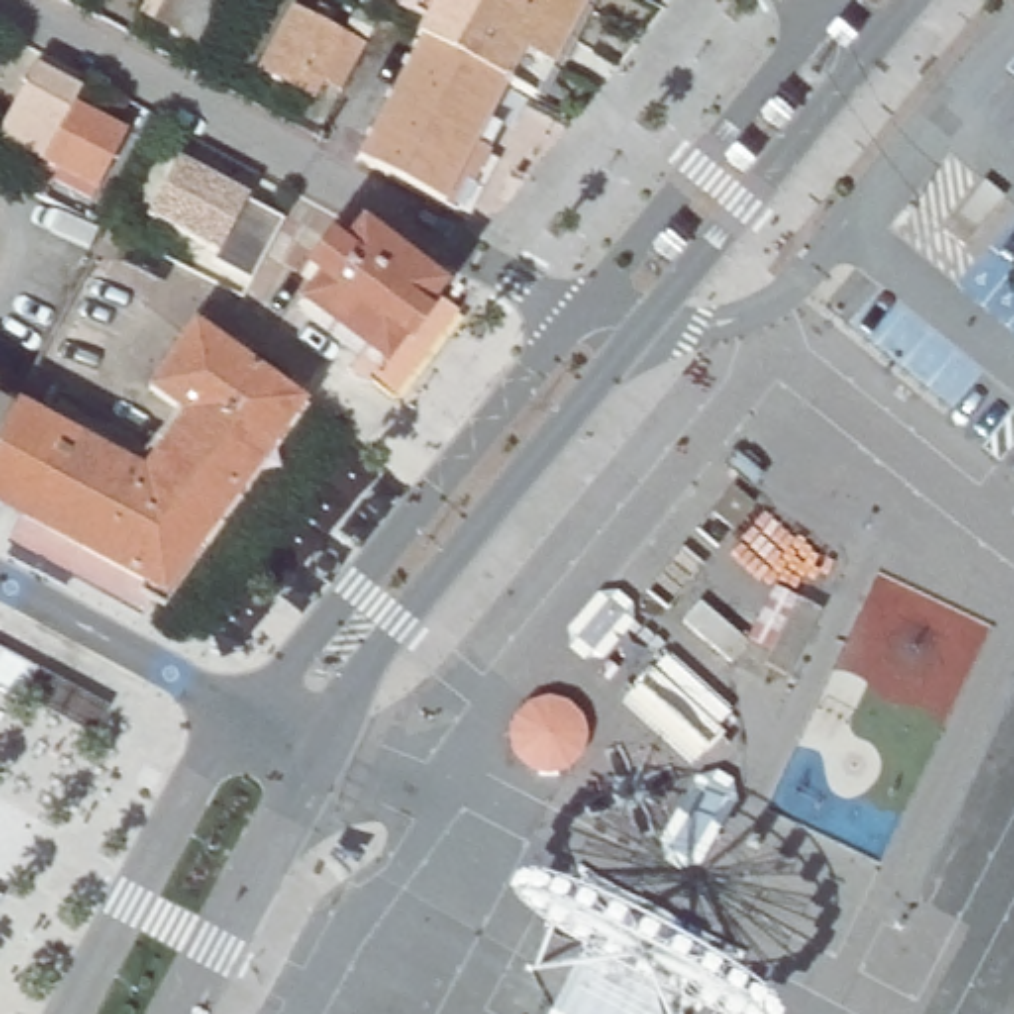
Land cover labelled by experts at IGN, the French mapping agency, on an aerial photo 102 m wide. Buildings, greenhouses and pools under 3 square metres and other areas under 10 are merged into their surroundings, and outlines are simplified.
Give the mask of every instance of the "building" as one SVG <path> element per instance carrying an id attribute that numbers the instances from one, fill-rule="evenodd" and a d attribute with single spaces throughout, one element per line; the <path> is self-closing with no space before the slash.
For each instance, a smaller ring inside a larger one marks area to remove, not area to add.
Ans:
<path id="1" fill-rule="evenodd" d="M 151 384 L 151 400 L 178 412 L 178 420 L 162 420 L 170 436 L 151 436 L 147 456 L 131 456 L 127 448 L 51 412 L 32 396 L 0 400 L 0 531 L 67 570 L 103 578 L 123 594 L 147 586 L 158 606 L 174 598 L 194 562 L 222 535 L 226 519 L 250 495 L 250 487 L 281 463 L 285 436 L 301 424 L 309 408 L 309 396 L 297 380 L 257 360 L 242 341 L 222 333 L 206 317 L 194 317 L 186 325 L 178 349 L 162 360 Z"/>
<path id="2" fill-rule="evenodd" d="M 356 36 L 349 36 L 341 24 L 301 8 L 301 0 L 285 0 L 261 51 L 261 67 L 269 79 L 297 83 L 309 95 L 341 95 L 349 67 L 364 51 Z"/>
<path id="3" fill-rule="evenodd" d="M 194 257 L 210 265 L 218 277 L 226 277 L 238 293 L 254 285 L 250 265 L 257 261 L 269 238 L 269 218 L 257 210 L 242 210 L 242 198 L 250 194 L 246 186 L 186 154 L 166 158 L 151 170 L 147 210 L 151 218 L 166 222 L 178 238 L 186 238 Z"/>
<path id="4" fill-rule="evenodd" d="M 0 67 L 0 135 L 32 147 L 48 162 L 51 178 L 75 198 L 95 198 L 123 162 L 115 154 L 123 143 L 123 123 L 115 119 L 83 103 L 79 79 L 51 67 L 32 48 L 24 48 L 20 59 L 8 59 Z"/>
<path id="5" fill-rule="evenodd" d="M 317 301 L 356 337 L 380 349 L 384 372 L 372 372 L 372 380 L 396 408 L 404 408 L 404 396 L 432 364 L 432 353 L 463 325 L 463 317 L 456 305 L 436 301 L 436 273 L 444 265 L 436 265 L 424 250 L 416 250 L 380 218 L 360 214 L 349 234 L 341 230 L 341 222 L 329 226 L 329 250 L 305 265 L 297 297 Z"/>
<path id="6" fill-rule="evenodd" d="M 400 79 L 384 87 L 380 111 L 364 131 L 356 162 L 428 194 L 448 210 L 459 202 L 459 186 L 467 178 L 479 178 L 483 162 L 495 158 L 495 103 L 507 103 L 515 79 L 535 83 L 535 75 L 555 75 L 562 63 L 574 63 L 574 51 L 582 44 L 574 28 L 590 12 L 586 0 L 400 0 L 420 20 L 408 51 L 400 63 Z"/>
<path id="7" fill-rule="evenodd" d="M 147 16 L 166 24 L 170 36 L 186 36 L 194 40 L 206 32 L 214 0 L 147 0 Z"/>

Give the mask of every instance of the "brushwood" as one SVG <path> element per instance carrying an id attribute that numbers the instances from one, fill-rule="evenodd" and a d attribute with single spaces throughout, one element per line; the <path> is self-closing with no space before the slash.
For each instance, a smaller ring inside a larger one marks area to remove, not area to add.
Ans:
<path id="1" fill-rule="evenodd" d="M 598 95 L 602 75 L 574 63 L 562 63 L 555 75 L 562 95 L 539 95 L 535 107 L 558 123 L 578 119 Z"/>
<path id="2" fill-rule="evenodd" d="M 301 8 L 341 24 L 349 24 L 349 8 L 356 16 L 384 20 L 392 24 L 392 40 L 408 51 L 420 20 L 400 0 L 301 0 Z"/>
<path id="3" fill-rule="evenodd" d="M 234 79 L 222 91 L 234 91 L 285 123 L 297 123 L 309 111 L 309 95 L 297 83 L 269 79 L 261 67 L 261 51 L 238 63 Z"/>
<path id="4" fill-rule="evenodd" d="M 147 48 L 166 51 L 170 59 L 186 36 L 170 36 L 166 24 L 147 16 L 135 16 L 131 32 Z"/>

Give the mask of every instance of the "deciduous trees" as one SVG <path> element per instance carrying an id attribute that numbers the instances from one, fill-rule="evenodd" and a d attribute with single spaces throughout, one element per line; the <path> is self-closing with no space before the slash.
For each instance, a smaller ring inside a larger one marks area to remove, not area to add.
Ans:
<path id="1" fill-rule="evenodd" d="M 99 71 L 87 71 L 79 79 L 83 103 L 115 119 L 123 107 L 123 91 Z"/>
<path id="2" fill-rule="evenodd" d="M 285 174 L 277 190 L 265 190 L 261 178 L 246 186 L 250 194 L 273 210 L 293 210 L 305 194 L 305 178 Z"/>
<path id="3" fill-rule="evenodd" d="M 198 135 L 198 103 L 170 95 L 154 103 L 147 131 L 123 162 L 95 198 L 95 226 L 115 238 L 119 257 L 127 257 L 131 250 L 147 250 L 170 265 L 194 257 L 186 238 L 178 238 L 166 222 L 151 218 L 147 210 L 151 170 L 166 158 L 186 154 L 186 139 Z"/>
<path id="4" fill-rule="evenodd" d="M 32 147 L 0 135 L 0 206 L 40 194 L 51 178 L 48 162 Z"/>
<path id="5" fill-rule="evenodd" d="M 206 32 L 194 40 L 186 36 L 170 59 L 174 67 L 194 71 L 206 87 L 222 91 L 234 79 L 238 63 L 261 51 L 285 0 L 214 0 Z"/>
<path id="6" fill-rule="evenodd" d="M 273 551 L 301 543 L 301 531 L 317 523 L 317 499 L 325 483 L 337 475 L 345 452 L 341 436 L 349 428 L 341 428 L 325 408 L 309 408 L 301 424 L 285 436 L 281 463 L 250 487 L 250 495 L 226 519 L 222 535 L 194 562 L 174 598 L 158 606 L 154 626 L 166 638 L 214 642 L 234 622 L 234 606 L 250 602 L 254 590 L 269 582 Z"/>

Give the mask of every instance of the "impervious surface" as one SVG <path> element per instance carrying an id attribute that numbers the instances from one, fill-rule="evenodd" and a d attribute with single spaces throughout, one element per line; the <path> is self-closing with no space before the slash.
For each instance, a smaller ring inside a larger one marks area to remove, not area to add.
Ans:
<path id="1" fill-rule="evenodd" d="M 305 178 L 305 194 L 293 210 L 273 210 L 250 194 L 242 198 L 242 210 L 257 210 L 269 218 L 269 238 L 257 261 L 250 265 L 254 285 L 238 293 L 226 277 L 218 277 L 210 265 L 194 257 L 170 265 L 147 250 L 131 250 L 127 257 L 119 257 L 115 238 L 95 226 L 95 198 L 75 198 L 51 178 L 40 194 L 0 206 L 0 400 L 32 396 L 51 412 L 127 448 L 131 456 L 147 456 L 151 436 L 170 436 L 162 420 L 178 420 L 178 412 L 151 400 L 151 384 L 162 360 L 178 349 L 186 325 L 194 317 L 206 317 L 222 333 L 242 341 L 257 360 L 297 380 L 309 396 L 309 408 L 325 408 L 341 428 L 349 428 L 341 436 L 345 452 L 337 475 L 325 483 L 317 499 L 317 523 L 301 531 L 301 543 L 273 551 L 269 582 L 254 590 L 250 602 L 234 606 L 234 622 L 214 642 L 166 638 L 154 626 L 158 606 L 147 586 L 123 594 L 103 578 L 67 570 L 0 531 L 0 1014 L 99 1014 L 135 939 L 143 935 L 174 951 L 170 970 L 158 978 L 158 994 L 147 1006 L 147 1014 L 1014 1014 L 1014 0 L 586 0 L 590 12 L 574 28 L 582 44 L 574 51 L 574 63 L 602 75 L 598 95 L 578 119 L 558 123 L 535 107 L 539 95 L 562 95 L 555 75 L 535 75 L 535 83 L 515 79 L 507 103 L 495 103 L 495 158 L 483 162 L 479 178 L 467 178 L 459 186 L 459 202 L 448 210 L 428 194 L 356 162 L 364 131 L 380 111 L 384 87 L 400 79 L 400 63 L 408 51 L 392 40 L 392 24 L 384 20 L 356 16 L 349 8 L 349 24 L 341 24 L 349 36 L 356 36 L 364 51 L 349 67 L 341 95 L 309 95 L 309 111 L 297 123 L 285 123 L 234 91 L 222 91 L 206 87 L 194 71 L 174 67 L 170 59 L 166 51 L 147 48 L 131 32 L 135 16 L 147 16 L 147 0 L 0 0 L 0 67 L 8 59 L 20 59 L 24 48 L 32 48 L 51 67 L 79 79 L 87 71 L 99 71 L 123 91 L 123 107 L 115 119 L 123 123 L 123 143 L 115 154 L 123 162 L 147 131 L 154 103 L 170 95 L 198 103 L 198 135 L 186 139 L 186 154 L 246 186 L 261 178 L 265 190 L 277 190 L 285 174 Z M 764 103 L 780 99 L 780 87 L 792 75 L 808 83 L 804 103 L 792 107 L 788 123 L 761 123 Z M 764 147 L 753 151 L 753 166 L 745 182 L 737 182 L 717 170 L 713 154 L 737 147 L 745 127 L 764 127 Z M 673 230 L 677 210 L 693 210 L 701 230 L 681 242 L 677 257 L 665 257 L 654 242 L 658 234 Z M 404 408 L 396 408 L 372 380 L 372 372 L 384 372 L 380 349 L 356 337 L 317 301 L 297 297 L 305 265 L 329 250 L 329 226 L 341 222 L 341 230 L 349 234 L 360 214 L 380 218 L 416 250 L 424 250 L 436 265 L 444 265 L 436 273 L 436 301 L 456 305 L 463 317 L 463 325 L 432 353 L 432 364 L 404 396 Z M 186 844 L 194 840 L 206 808 L 230 780 L 254 780 L 257 808 L 250 812 L 238 844 L 226 852 L 226 863 L 206 903 L 198 911 L 186 911 L 166 899 L 166 883 Z"/>

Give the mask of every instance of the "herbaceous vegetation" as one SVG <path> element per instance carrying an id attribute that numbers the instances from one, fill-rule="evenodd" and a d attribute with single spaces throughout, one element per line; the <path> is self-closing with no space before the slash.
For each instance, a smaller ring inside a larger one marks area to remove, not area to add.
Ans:
<path id="1" fill-rule="evenodd" d="M 99 1014 L 147 1014 L 147 1006 L 158 994 L 158 978 L 170 970 L 174 951 L 143 935 L 135 939 Z"/>
<path id="2" fill-rule="evenodd" d="M 186 911 L 198 911 L 206 903 L 226 863 L 226 852 L 238 844 L 250 812 L 257 808 L 254 780 L 230 780 L 206 808 L 194 840 L 186 844 L 166 883 L 166 899 Z"/>
<path id="3" fill-rule="evenodd" d="M 780 99 L 764 103 L 761 123 L 788 123 L 792 107 L 804 103 L 808 83 L 792 75 L 780 87 Z"/>
<path id="4" fill-rule="evenodd" d="M 693 210 L 677 210 L 673 230 L 658 234 L 654 242 L 665 257 L 677 257 L 681 242 L 701 230 Z"/>
<path id="5" fill-rule="evenodd" d="M 717 170 L 737 182 L 745 182 L 753 166 L 753 151 L 764 147 L 764 127 L 745 127 L 737 147 L 713 154 Z"/>

